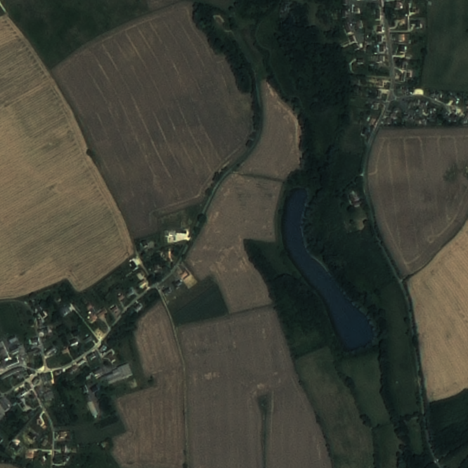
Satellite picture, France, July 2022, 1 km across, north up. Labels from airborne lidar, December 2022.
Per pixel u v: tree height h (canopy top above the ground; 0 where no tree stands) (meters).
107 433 0
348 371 0
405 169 0
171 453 0
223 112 0
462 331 0
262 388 0
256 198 0
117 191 0
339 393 0
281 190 0
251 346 0
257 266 9
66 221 0
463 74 0
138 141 0
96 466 0
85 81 0
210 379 0
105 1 0
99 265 0
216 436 0
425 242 0
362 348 9
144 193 0
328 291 0
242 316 0
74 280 0
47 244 0
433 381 0
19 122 0
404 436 19
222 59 0
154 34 0
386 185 0
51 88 0
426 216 0
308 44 21
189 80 0
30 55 0
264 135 0
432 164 0
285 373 0
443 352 0
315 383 0
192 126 0
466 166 0
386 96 0
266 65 7
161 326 0
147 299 6
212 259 0
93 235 0
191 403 0
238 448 0
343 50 11
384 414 0
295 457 0
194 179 0
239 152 0
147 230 0
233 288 0
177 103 0
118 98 0
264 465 0
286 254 6
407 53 0
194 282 0
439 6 0
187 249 0
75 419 11
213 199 0
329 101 6
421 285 0
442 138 0
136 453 0
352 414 0
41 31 0
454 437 14
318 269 0
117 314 0
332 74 9
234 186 0
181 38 0
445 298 0
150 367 0
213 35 16
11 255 0
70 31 0
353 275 0
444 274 0
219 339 0
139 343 0
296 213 0
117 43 0
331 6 6
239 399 0
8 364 0
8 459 7
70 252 0
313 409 0
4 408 0
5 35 0
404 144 0
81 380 12
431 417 9
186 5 0
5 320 0
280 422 0
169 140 0
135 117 0
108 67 0
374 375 0
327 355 0
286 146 0
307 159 18
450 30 0
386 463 0
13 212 0
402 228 0
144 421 0
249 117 0
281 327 0
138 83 0
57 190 0
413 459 20
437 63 0
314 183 7
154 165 0
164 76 0
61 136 0
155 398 0
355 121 0
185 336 0
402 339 0
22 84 0
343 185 6
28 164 0
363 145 0
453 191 0
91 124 0
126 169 0
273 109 0
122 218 0
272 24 0
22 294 0
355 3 0
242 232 0
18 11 0
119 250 0
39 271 0
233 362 0
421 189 0
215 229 0
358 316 0
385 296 0
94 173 0
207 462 0
